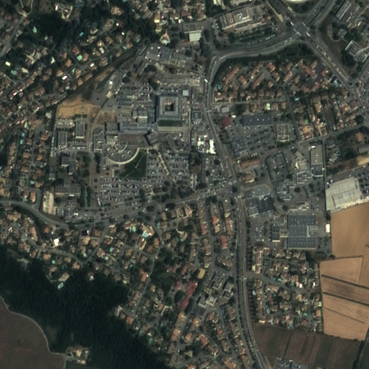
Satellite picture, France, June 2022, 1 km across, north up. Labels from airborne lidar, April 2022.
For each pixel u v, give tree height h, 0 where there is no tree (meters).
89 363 7
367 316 0
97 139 0
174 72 8
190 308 13
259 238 0
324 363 0
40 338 0
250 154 0
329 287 0
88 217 0
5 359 0
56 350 7
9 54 15
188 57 11
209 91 0
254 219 0
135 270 9
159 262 9
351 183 0
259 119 0
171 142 0
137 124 0
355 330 0
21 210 13
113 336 15
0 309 0
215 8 12
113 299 14
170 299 13
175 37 6
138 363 11
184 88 0
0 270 9
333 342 0
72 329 7
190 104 0
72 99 0
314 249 0
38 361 0
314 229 0
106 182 0
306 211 0
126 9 6
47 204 0
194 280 11
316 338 0
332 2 0
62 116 0
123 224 6
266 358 0
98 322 15
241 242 0
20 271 8
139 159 0
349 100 0
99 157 9
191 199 0
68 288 16
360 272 0
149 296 8
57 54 17
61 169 8
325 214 0
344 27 14
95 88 0
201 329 12
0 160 17
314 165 0
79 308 11
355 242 0
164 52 0
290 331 0
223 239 0
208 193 0
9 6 17
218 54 0
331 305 0
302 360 0
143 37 10
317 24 0
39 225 8
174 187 11
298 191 7
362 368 0
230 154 0
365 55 0
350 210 0
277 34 8
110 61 12
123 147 0
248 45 0
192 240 0
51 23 10
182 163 0
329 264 0
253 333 0
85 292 21
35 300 11
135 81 0
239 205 0
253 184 0
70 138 10
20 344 0
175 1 25
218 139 0
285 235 0
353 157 15
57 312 11
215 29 0
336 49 0
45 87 13
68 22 9
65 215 0
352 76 8
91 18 11
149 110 0
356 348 0
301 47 11
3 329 0
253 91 6
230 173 0
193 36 0
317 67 0
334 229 0
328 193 0
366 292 0
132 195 0
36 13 0
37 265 14
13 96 6
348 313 0
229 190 0
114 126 0
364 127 9
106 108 0
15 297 10
